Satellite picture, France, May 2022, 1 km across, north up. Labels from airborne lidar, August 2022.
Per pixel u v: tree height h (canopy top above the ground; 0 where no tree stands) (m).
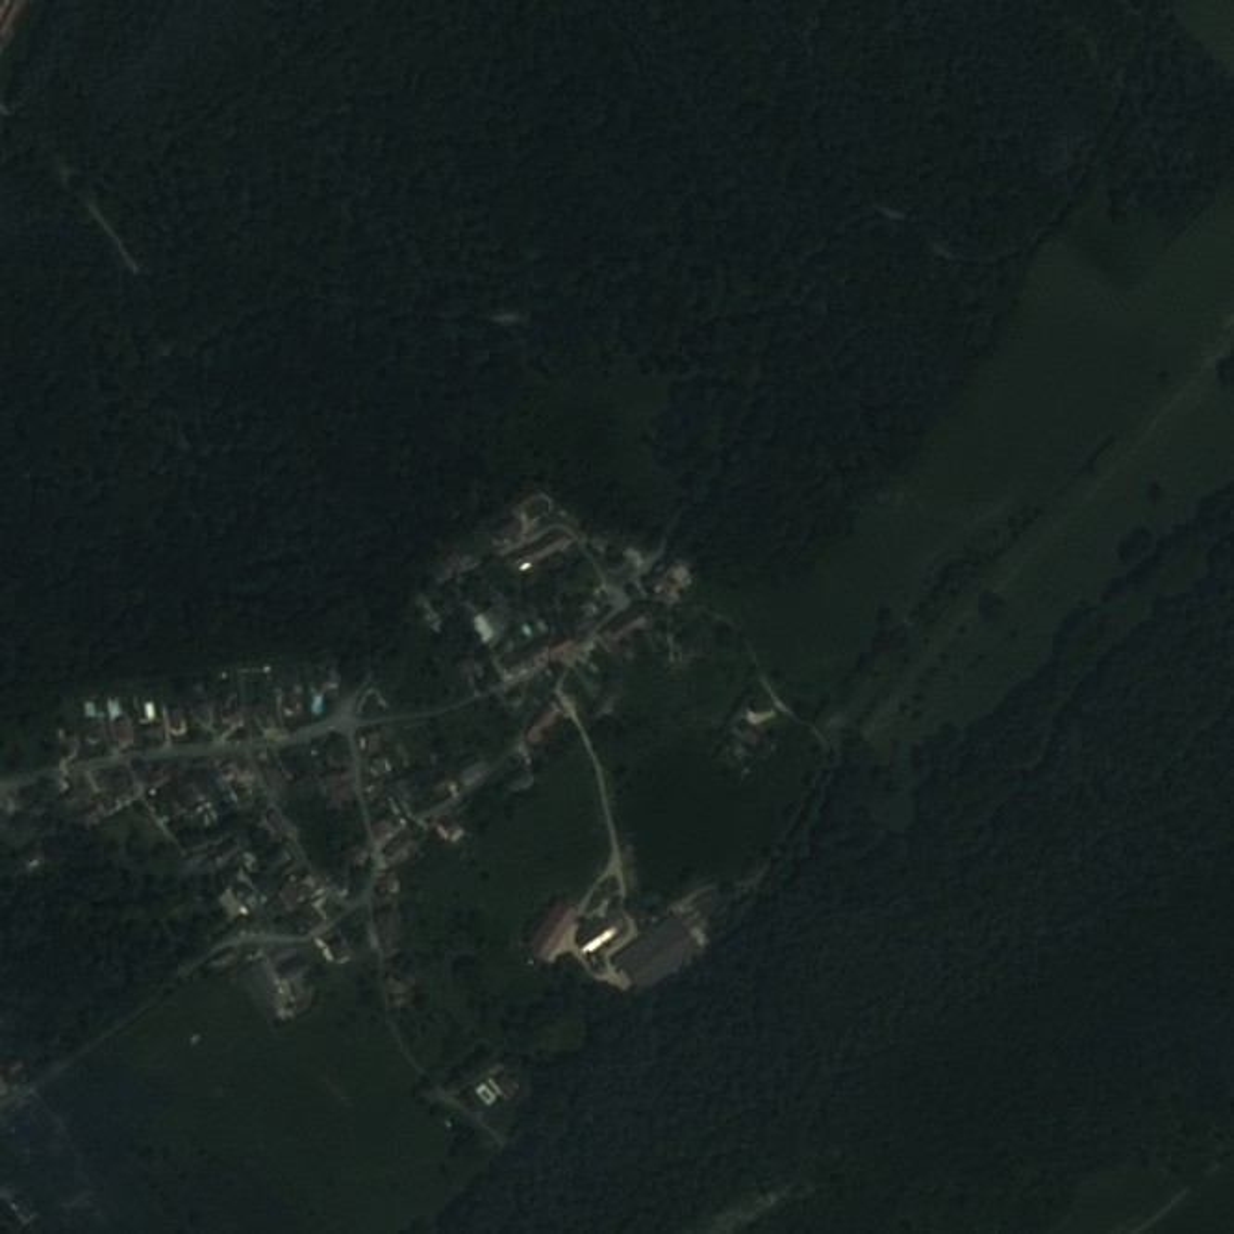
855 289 22
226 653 14
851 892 13
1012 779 21
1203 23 0
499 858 0
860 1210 16
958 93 24
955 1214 22
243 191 22
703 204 27
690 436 28
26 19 0
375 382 31
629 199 25
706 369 30
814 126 23
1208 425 0
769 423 21
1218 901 12
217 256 28
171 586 31
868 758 17
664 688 0
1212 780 12
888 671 0
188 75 17
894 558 0
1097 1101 17
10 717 17
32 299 30
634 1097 22
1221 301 0
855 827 17
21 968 21
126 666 27
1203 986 16
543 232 28
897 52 23
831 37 22
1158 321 0
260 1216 0
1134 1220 0
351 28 27
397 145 27
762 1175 8
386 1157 0
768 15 14
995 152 20
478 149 28
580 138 25
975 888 16
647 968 0
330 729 0
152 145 23
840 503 32
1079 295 0
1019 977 13
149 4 11
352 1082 0
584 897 0
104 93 17
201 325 26
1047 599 0
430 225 28
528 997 0
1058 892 12
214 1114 0
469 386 28
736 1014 14
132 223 26
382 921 0
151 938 16
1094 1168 19
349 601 18
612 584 0
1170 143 33
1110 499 0
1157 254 0
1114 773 21
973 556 8
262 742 0
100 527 29
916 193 17
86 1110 0
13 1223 13
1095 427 0
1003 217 25
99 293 26
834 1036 9
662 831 0
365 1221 0
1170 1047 20
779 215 23
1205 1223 0
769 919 19
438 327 30
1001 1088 13
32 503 31
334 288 25
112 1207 0
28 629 26
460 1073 9
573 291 27
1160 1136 18
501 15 23
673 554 10
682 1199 15
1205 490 0
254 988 0
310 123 9
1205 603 18
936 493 0
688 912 0
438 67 22
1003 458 0
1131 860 11
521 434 6
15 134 18
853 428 30
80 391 30
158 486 29
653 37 23
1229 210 0
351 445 30
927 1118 10
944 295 22
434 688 0
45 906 13
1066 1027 8
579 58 27
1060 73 23
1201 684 20
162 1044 0
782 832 0
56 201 22
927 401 21
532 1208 18
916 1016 12
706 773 0
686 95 18
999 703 0
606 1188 19
